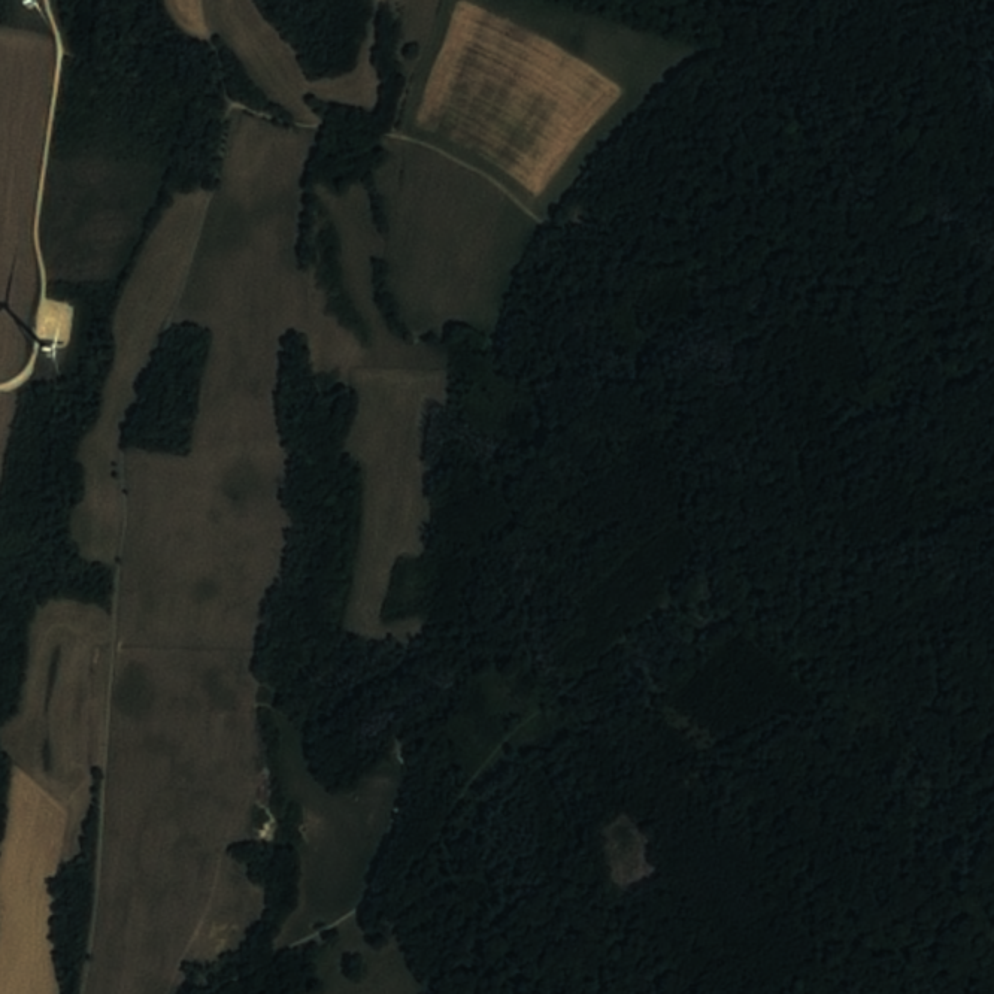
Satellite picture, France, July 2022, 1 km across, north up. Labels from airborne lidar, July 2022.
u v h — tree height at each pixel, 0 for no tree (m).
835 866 20
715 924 14
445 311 0
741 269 25
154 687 0
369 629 0
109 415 0
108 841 0
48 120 0
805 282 25
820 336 10
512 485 25
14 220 0
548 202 0
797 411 22
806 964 16
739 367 22
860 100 24
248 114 9
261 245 0
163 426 9
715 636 23
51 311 0
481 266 0
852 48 21
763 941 16
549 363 19
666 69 0
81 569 15
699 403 30
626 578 6
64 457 20
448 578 10
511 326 20
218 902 0
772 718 7
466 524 9
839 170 28
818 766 25
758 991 14
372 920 23
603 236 21
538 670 11
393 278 0
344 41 14
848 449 12
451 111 0
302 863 12
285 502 13
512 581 22
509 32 0
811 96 28
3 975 0
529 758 21
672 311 10
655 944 17
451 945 22
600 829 22
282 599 13
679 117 19
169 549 0
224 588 0
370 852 0
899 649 18
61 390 8
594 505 15
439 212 0
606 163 16
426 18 0
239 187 0
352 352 0
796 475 22
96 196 0
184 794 0
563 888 26
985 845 16
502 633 23
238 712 0
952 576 27
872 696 27
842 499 8
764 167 6
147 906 0
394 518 0
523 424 6
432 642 18
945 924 21
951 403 27
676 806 13
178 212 0
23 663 17
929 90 26
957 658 25
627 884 0
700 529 22
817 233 27
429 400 0
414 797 17
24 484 9
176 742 0
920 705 24
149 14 20
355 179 21
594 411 27
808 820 25
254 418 0
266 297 0
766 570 20
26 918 0
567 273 20
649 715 13
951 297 26
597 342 19
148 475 0
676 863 17
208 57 16
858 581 25
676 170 21
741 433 17
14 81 0
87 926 8
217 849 0
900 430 24
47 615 0
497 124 0
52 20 0
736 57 22
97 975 0
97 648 0
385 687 27
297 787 0
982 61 23
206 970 17
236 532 0
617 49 0
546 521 12
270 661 17
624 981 28
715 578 22
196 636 0
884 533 10
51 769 0
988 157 23
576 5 11
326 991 8
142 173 0
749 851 15
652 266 22
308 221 15
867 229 31
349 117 23
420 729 22
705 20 22
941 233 28
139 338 0
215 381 0
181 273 0
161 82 16
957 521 24
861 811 23
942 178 24
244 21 0
